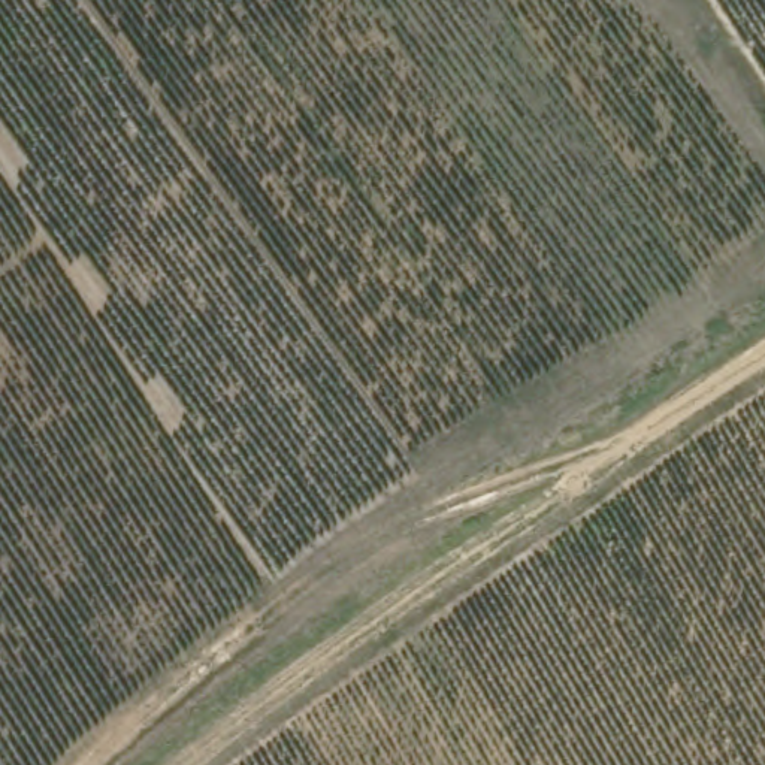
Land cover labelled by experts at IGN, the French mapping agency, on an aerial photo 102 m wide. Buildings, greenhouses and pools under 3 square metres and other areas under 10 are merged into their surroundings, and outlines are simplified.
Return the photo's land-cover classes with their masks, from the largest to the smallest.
<instances>
[{"label":"vineyard","instance_id":"1","mask_svg":"<svg viewBox=\"0 0 765 765\"><path fill-rule=\"evenodd\" d=\"M616 0H0V765H57L69 744H75L93 726H99L114 708L128 702L134 693L146 696L152 681L164 669H176V657L185 648H191L206 631L224 634L233 628V613L245 607L254 610L260 604V583L281 580V565L293 559L308 541L323 535L335 520L347 517L353 508L368 502L394 478L424 469L427 460L442 448L475 442L490 427L502 424L508 406H526L535 397H547L550 391H556L562 385V377L553 371V365L559 359L574 356L583 344L601 341L604 335L631 329L663 293H681L693 272H699L711 254L723 248V242L738 239L750 227V209L765 206V170L756 164L753 152L741 143V137L729 128L723 114L714 108L711 96L684 75V63L672 57V42L660 39V24L654 21L645 33L642 12L634 6L613 9ZM735 30L744 42L753 45V54L765 69V0H720ZM287 720L290 732L260 747L242 765H765V394L753 400L747 409H741L738 418L723 421L717 430L699 436L684 451L660 463L648 478L625 490L616 502L583 520V529L562 532L544 553H535L529 562L517 565L493 586L472 595L466 604L454 607L442 592L433 601L409 610L403 619L391 622V628L377 639L350 651L347 660L335 663L302 693L290 696L278 711L266 714L257 726L263 735L272 723Z\"/></svg>","mask_w":765,"mask_h":765},{"label":"herbaceous vegetation","instance_id":"2","mask_svg":"<svg viewBox=\"0 0 765 765\"><path fill-rule=\"evenodd\" d=\"M634 6L642 12L645 33L654 21L660 24V39L672 42V57L684 63V75L711 96L714 108L723 114L729 128L741 137V143L753 152L756 164L765 170V69L753 54V45L744 42L735 30L720 0H616L613 9ZM765 338V206L750 209V227L738 239L723 242V248L711 254L699 272H693L681 293H663L631 329L604 335L601 341L583 344L574 356L559 359L553 365V371L562 377V385L556 391H550L547 397H535L526 406H508L502 424L490 427L475 442L442 448L427 460L424 469L394 478L368 502L353 508L347 517L335 520L323 535L308 541L293 559L281 565V580L260 583V604L254 610L245 607L233 613V628L224 634L206 631L191 648H185L176 657V669H164L152 681L146 696L134 693L128 702L114 708L99 726H93L75 744H69L57 765H164L173 753L194 744L215 720H221L248 693L266 684L275 672H281L287 663L311 651L314 645H320L344 625H350L362 610L403 586L415 571H424L433 559L487 532L499 517L541 499L550 487H556L553 481H538L535 487L496 499L472 514H457L451 520L430 526L421 517V505L427 499L481 481L484 475L511 472L541 457H553L616 436L645 412H651L657 403L681 394L684 388L705 380L708 374H714L717 368H723L747 347ZM765 394V368L750 380L738 383L735 388H729L726 394H720L717 400H711L705 409L693 412L675 430L648 442L639 454L619 457L595 469L592 490L571 496L568 502L550 505L544 514L532 517L535 529L514 538L502 553L490 556L484 565H478L442 592L454 607L466 604L472 595L493 586L517 565L529 562L535 553H544L562 532L583 529V520L616 502L625 490L648 478L660 463L684 451L699 436L717 430L723 421L738 418L741 409H747L753 400ZM290 732L287 720L272 723L263 735L257 726L245 729V735L224 747L209 765H242L260 747Z\"/></svg>","mask_w":765,"mask_h":765},{"label":"pervious surface","instance_id":"3","mask_svg":"<svg viewBox=\"0 0 765 765\"><path fill-rule=\"evenodd\" d=\"M765 368V338L747 347L723 368H717L714 374H708L705 380L684 388L681 394L657 403L651 412H645L616 436L553 457H541L511 472L484 475L481 481L427 499L421 505V517L430 526L451 520L457 514H472L496 499L535 487L538 481H553L556 487H550L541 499L499 517L487 532L433 559L424 571H415L403 586L362 610L350 625H344L320 645H314L311 651L287 663L281 672H275L266 684L248 693L221 720H215L194 744L173 753L164 765H209L224 747L245 735V729L257 726L266 714L278 711L290 696L302 693L335 663L347 660L350 651L377 639L391 628V622L403 619L409 610L433 601L442 592L478 565H484L490 556L502 553L514 538L535 529L532 517L544 514L550 505L568 502L571 496L592 490L595 469L619 457L639 454L648 442L675 430L693 412L705 409L711 400H717L720 394H726L729 388H735L738 383L750 380Z\"/></svg>","mask_w":765,"mask_h":765}]
</instances>
